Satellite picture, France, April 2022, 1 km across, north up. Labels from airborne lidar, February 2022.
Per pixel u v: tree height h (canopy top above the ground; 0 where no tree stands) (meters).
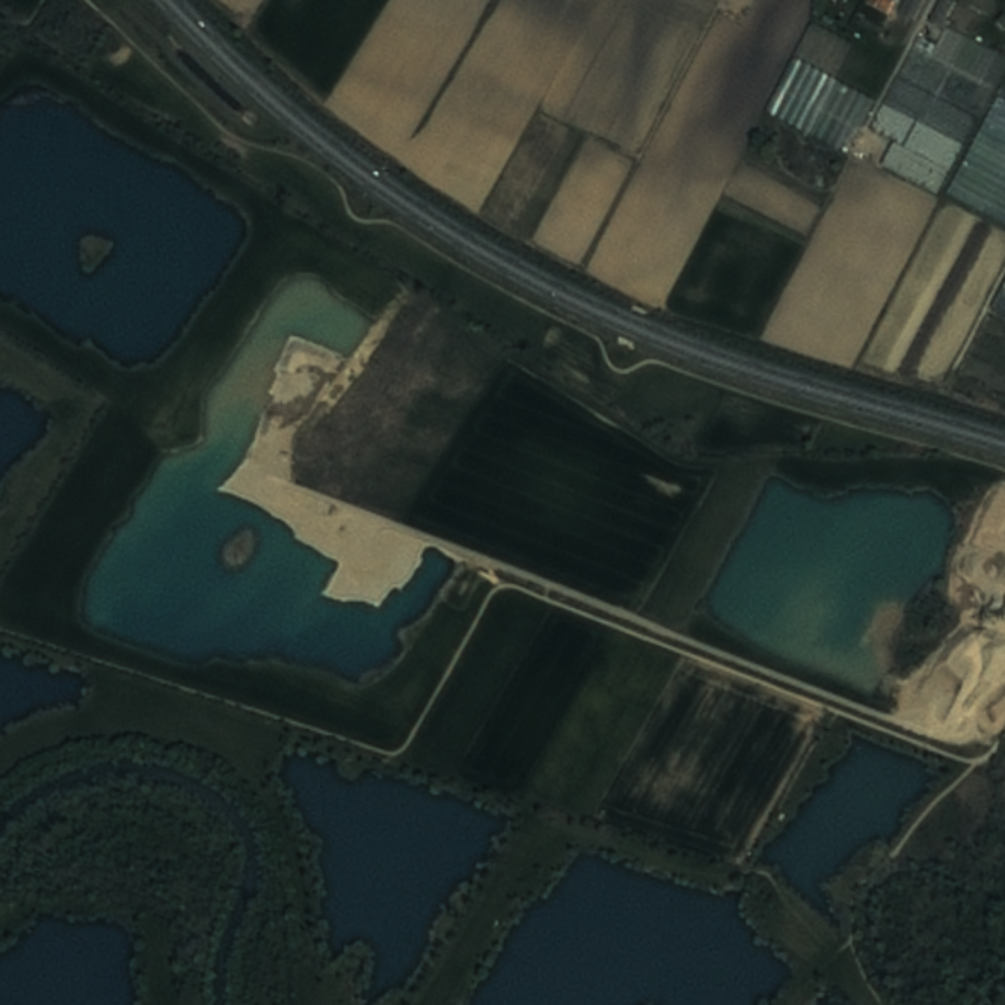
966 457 0
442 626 0
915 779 0
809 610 0
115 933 0
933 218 0
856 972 0
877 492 0
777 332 0
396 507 0
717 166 0
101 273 0
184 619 0
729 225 0
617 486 0
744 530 0
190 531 0
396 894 0
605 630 0
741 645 0
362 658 0
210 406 0
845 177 0
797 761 0
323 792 0
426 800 0
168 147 0
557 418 0
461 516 0
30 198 0
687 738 0
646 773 0
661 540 0
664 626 0
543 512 0
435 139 0
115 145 0
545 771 0
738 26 0
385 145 0
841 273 0
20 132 0
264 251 0
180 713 0
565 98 0
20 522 0
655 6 0
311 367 0
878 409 0
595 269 0
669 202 0
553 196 0
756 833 0
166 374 0
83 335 0
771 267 0
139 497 0
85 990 0
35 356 8
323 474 0
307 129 0
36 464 0
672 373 0
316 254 0
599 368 0
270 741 0
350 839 0
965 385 0
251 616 0
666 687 0
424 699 0
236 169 7
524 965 0
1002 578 0
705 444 0
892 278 0
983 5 0
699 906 0
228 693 0
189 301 0
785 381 0
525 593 0
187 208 0
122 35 0
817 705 0
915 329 0
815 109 0
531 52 0
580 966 0
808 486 0
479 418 0
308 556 0
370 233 0
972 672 0
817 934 0
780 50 0
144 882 16
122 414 0
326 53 0
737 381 0
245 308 0
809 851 0
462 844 0
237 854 14
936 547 0
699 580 0
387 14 0
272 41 0
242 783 6
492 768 0
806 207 0
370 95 0
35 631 0
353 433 0
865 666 0
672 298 0
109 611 0
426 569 0
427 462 0
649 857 0
